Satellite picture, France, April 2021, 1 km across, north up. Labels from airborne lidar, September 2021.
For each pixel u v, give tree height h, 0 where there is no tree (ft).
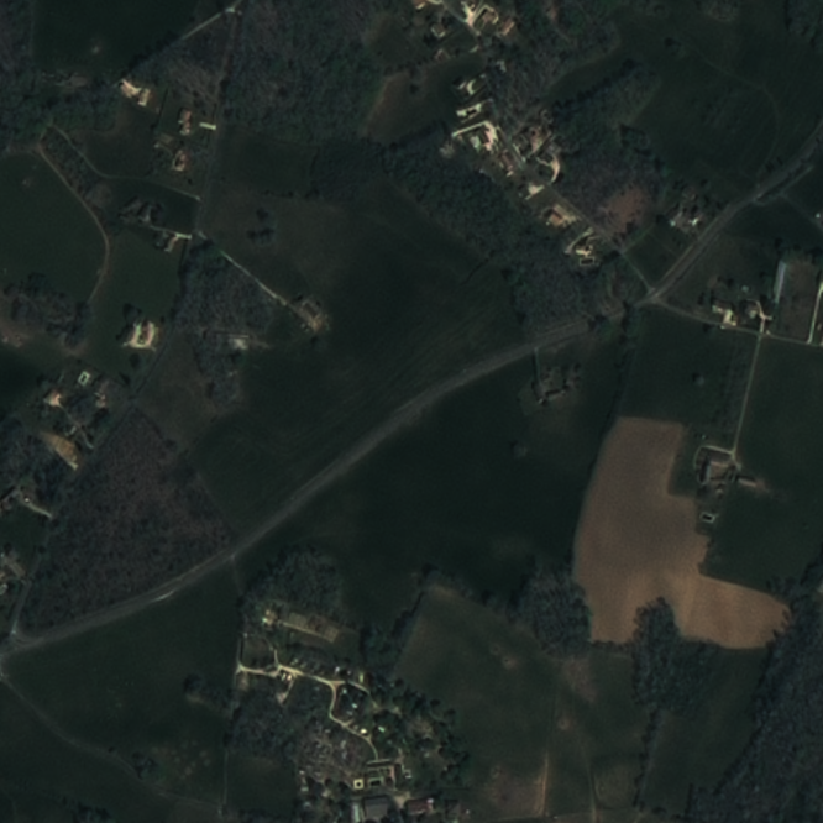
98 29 0
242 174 0
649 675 69
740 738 0
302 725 73
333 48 71
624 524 0
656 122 0
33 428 0
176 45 70
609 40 56
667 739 0
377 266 0
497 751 0
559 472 0
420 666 0
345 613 0
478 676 0
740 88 0
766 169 0
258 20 56
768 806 46
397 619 0
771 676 54
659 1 0
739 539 0
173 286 0
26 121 67
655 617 76
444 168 73
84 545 49
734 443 0
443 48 0
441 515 0
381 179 0
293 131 75
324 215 0
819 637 78
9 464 79
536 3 63
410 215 0
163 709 0
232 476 0
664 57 0
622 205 0
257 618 63
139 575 20
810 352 0
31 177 0
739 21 0
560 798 0
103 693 0
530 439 0
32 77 60
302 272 0
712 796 34
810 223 0
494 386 0
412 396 0
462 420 0
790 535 0
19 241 0
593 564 0
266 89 81
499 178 0
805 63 0
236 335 62
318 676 29
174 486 52
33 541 0
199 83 76
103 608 45
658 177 54
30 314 46
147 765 60
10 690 0
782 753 45
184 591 0
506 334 0
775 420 0
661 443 0
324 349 21
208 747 0
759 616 0
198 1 0
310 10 59
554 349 0
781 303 24
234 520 0
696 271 0
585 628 47
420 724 53
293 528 0
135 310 38
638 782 30
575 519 0
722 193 0
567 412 0
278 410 0
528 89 53
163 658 0
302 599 72
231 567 0
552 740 0
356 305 0
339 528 0
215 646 0
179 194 0
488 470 0
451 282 0
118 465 24
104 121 58
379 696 45
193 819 0
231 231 0
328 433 0
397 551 0
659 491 0
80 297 0
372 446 0
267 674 44
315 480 0
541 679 0
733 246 0
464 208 62
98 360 0
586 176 63
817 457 0
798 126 0
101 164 0
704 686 47
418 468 0
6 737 0
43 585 60
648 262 0
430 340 0
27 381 0
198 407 0
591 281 50
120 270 0
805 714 78
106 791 0
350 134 45
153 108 0
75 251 0
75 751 0
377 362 0
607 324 61
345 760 80
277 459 0
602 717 0
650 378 0
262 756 65
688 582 0
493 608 63
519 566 0
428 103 0
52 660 0
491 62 26
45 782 0
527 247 58
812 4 57
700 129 0
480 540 0
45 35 0
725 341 0
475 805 0
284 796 0
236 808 0
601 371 0
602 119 84
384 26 0
